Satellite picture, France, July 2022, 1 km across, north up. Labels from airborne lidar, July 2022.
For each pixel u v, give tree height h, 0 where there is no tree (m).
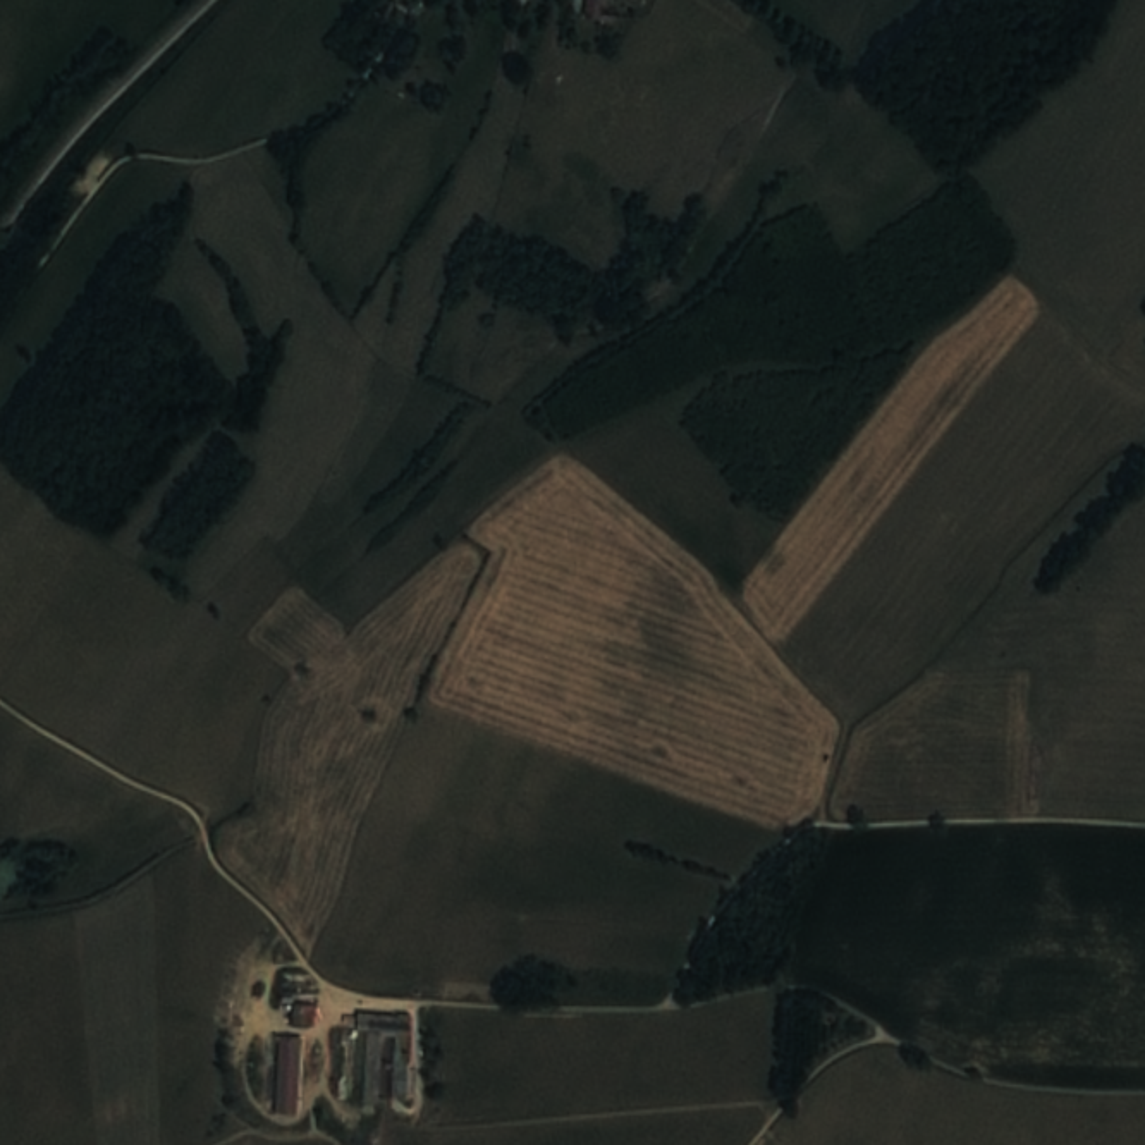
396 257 8
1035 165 0
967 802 0
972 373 0
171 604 0
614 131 0
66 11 0
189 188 12
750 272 9
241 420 12
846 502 0
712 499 0
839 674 0
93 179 0
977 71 26
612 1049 0
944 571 0
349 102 14
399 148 0
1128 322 0
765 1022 0
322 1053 0
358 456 0
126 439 21
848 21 0
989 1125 0
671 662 0
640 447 0
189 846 0
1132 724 0
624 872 0
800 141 0
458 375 0
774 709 0
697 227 16
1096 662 0
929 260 5
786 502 7
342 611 0
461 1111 0
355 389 0
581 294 15
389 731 0
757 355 6
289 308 0
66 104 13
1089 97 0
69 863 19
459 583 0
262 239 0
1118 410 0
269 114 0
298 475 0
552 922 0
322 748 0
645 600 0
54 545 0
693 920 0
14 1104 0
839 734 0
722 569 0
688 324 6
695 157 0
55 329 0
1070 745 0
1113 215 0
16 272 21
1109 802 0
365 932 0
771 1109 0
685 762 0
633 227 11
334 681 0
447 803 0
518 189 0
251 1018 0
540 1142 0
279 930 0
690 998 14
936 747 0
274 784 0
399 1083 0
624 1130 0
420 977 0
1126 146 0
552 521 0
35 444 23
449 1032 0
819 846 17
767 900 24
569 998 0
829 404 6
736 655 0
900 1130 0
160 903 0
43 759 0
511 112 0
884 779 0
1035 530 0
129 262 23
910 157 0
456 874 0
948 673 0
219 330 0
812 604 0
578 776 0
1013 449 0
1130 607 0
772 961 12
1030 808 0
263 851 0
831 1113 0
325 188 0
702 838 0
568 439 7
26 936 0
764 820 0
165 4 0
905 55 26
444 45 10
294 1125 0
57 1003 0
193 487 23
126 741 0
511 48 0
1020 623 0
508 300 10
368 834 0
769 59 0
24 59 0
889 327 6
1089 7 25
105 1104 0
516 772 0
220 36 0
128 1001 0
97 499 24
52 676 0
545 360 0
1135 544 0
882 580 0
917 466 0
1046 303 0
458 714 0
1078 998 0
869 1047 0
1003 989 0
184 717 0
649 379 9
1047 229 0
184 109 0
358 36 10
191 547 14
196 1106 0
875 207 0
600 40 7
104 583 0
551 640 0
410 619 0
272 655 0
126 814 0
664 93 0
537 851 0
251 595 0
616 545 0
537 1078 0
